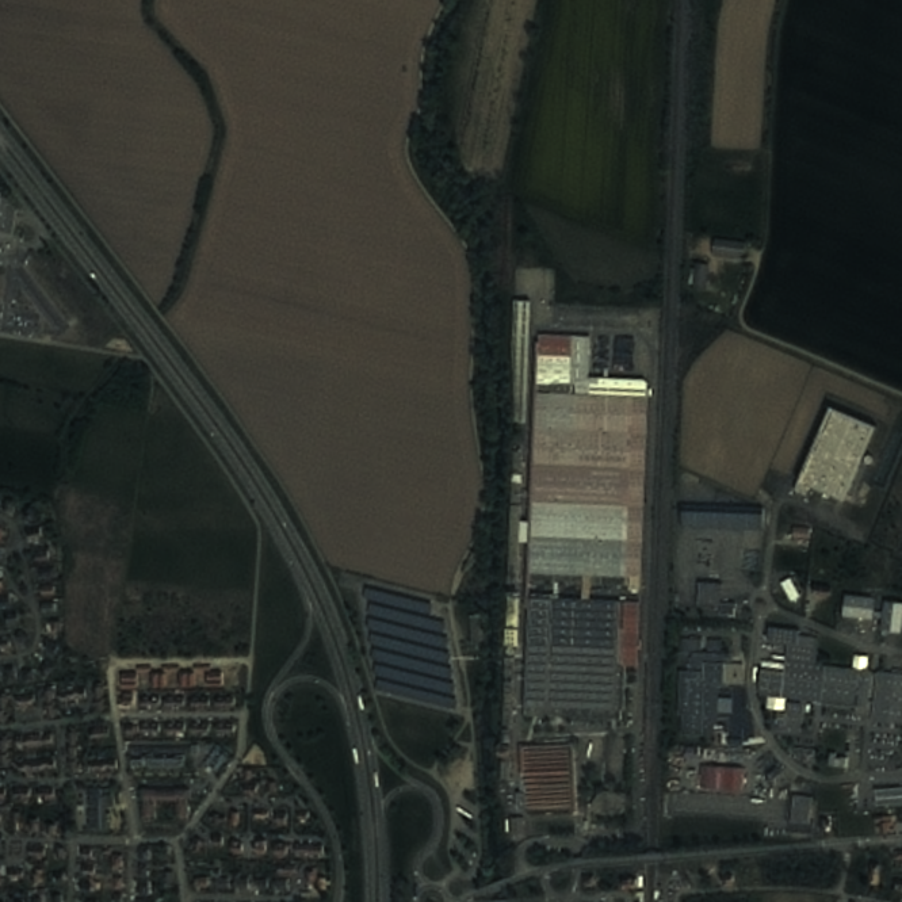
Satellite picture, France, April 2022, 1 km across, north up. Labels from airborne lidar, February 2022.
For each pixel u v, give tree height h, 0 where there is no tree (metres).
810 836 0
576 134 0
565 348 0
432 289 0
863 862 0
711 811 0
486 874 9
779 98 0
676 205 0
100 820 0
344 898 0
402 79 0
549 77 0
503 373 15
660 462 0
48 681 0
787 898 0
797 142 0
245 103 0
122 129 0
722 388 0
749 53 0
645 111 0
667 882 0
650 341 0
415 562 0
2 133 0
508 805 0
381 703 0
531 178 0
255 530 0
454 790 0
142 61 0
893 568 0
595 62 0
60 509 0
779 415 0
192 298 0
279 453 0
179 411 0
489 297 14
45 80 0
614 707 0
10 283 0
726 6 0
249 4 0
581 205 0
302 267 0
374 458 0
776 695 0
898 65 0
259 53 0
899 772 0
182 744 0
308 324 0
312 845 0
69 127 0
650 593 0
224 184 0
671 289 0
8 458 0
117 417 0
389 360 0
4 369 0
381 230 0
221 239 0
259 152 0
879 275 0
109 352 0
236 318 0
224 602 0
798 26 0
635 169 0
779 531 0
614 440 0
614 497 0
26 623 0
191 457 0
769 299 0
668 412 0
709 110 13
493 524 17
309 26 0
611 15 0
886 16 0
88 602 0
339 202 0
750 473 0
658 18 0
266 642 0
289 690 0
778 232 0
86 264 0
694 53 14
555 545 0
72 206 0
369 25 0
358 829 0
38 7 0
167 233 0
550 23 0
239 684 0
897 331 0
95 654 0
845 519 0
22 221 0
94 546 0
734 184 0
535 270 0
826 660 8
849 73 0
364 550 0
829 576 0
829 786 0
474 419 0
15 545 0
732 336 0
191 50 0
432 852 0
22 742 0
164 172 0
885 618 0
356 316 0
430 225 0
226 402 0
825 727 0
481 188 13
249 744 0
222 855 0
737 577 0
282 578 0
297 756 0
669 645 10
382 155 0
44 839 0
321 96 0
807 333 0
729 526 0
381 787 0
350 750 0
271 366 0
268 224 0
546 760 0
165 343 0
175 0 0
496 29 0
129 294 0
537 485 0
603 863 0
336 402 0
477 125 0
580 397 0
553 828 0
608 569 0
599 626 0
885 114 0
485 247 14
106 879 0
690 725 0
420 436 0
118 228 0
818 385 0
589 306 0
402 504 0
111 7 0
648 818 0
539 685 0
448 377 0
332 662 0
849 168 0
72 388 0
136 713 0
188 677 0
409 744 0
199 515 0
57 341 0
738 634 0
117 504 0
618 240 0
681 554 0
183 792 0
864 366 0
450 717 0
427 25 0
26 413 0
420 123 15
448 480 0
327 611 0
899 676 0
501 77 0
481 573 13
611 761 0
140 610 0
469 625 0
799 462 0
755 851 0
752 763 0
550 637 0
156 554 0
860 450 0
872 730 0
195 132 0
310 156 0
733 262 0
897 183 0
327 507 0
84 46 0
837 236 0
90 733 0
